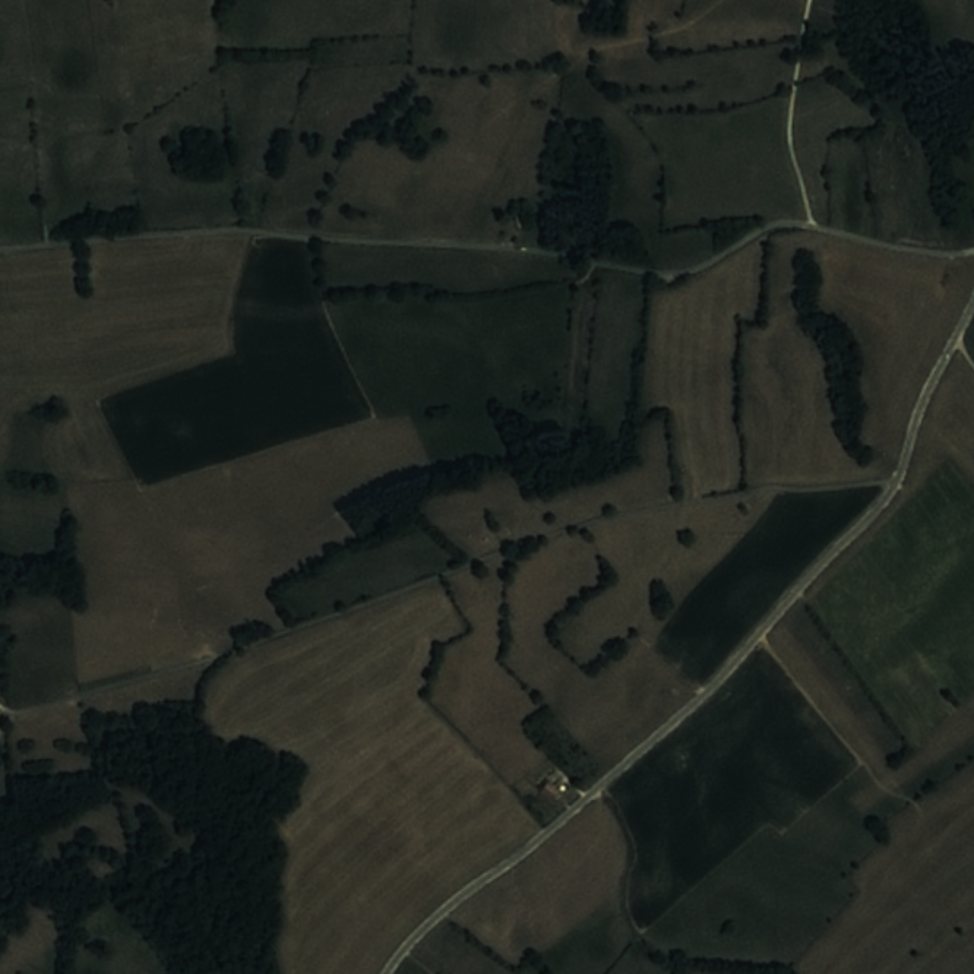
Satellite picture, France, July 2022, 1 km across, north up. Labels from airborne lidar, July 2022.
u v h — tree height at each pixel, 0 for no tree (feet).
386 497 78
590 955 0
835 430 43
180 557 0
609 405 0
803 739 0
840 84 46
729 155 0
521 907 0
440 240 0
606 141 62
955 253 0
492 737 0
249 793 58
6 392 0
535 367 0
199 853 53
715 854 0
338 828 0
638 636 35
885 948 0
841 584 0
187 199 0
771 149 0
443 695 0
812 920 0
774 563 0
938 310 0
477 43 0
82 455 0
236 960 72
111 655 0
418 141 51
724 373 0
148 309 0
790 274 0
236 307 0
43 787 62
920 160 0
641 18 0
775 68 0
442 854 0
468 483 81
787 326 0
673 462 24
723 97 0
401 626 0
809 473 0
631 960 0
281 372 0
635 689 0
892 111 0
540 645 0
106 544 0
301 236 0
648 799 0
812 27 47
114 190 0
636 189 0
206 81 0
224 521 0
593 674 36
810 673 0
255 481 0
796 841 0
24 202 0
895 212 0
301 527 0
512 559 48
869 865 0
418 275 0
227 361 0
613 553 0
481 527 0
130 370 0
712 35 0
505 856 0
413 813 0
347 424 0
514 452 72
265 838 53
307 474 0
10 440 0
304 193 0
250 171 0
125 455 0
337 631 0
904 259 0
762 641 0
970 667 0
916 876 0
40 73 0
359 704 0
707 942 0
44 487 64
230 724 0
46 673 0
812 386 0
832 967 0
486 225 0
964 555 0
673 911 0
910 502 0
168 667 0
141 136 0
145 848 60
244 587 0
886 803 0
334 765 0
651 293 38
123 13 0
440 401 0
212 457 0
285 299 0
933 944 0
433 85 0
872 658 0
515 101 0
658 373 0
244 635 56
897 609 0
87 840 65
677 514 0
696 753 0
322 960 0
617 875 0
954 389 0
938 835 0
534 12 0
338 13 0
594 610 0
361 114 0
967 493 0
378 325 0
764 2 0
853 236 0
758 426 0
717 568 0
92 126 0
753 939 0
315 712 0
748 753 0
